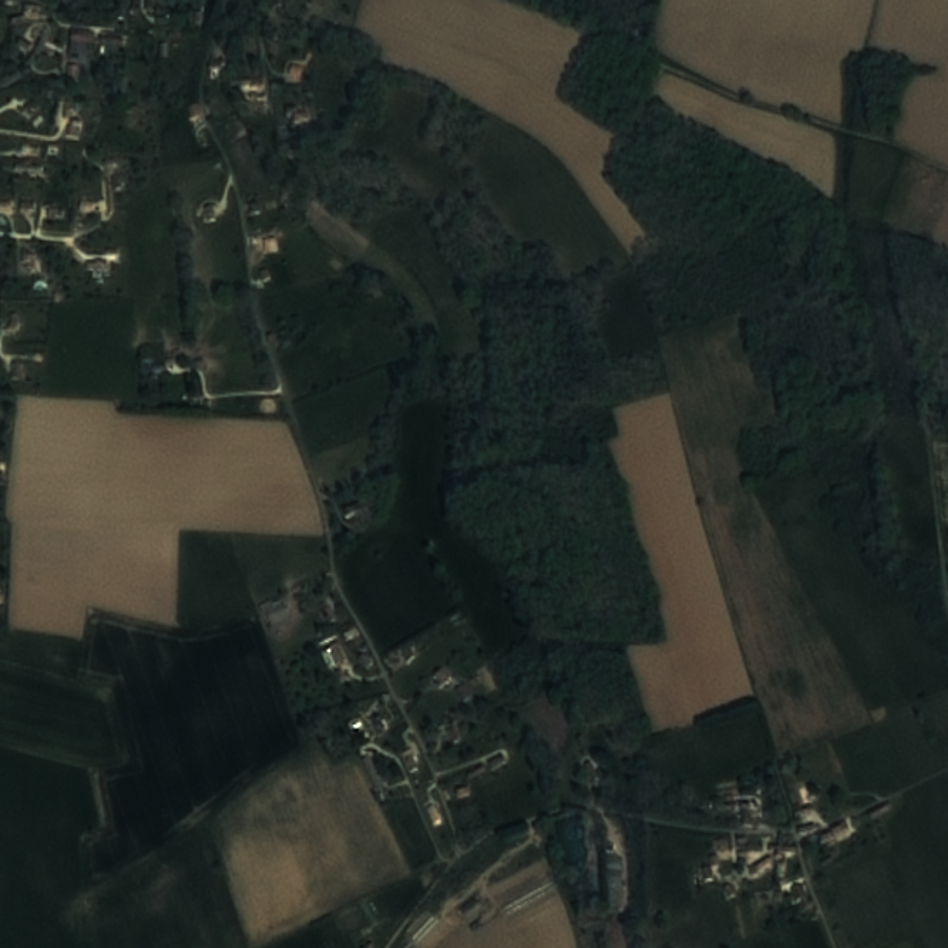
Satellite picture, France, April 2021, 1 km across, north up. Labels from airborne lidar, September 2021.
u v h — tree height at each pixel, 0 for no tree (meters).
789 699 0
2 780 0
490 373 18
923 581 0
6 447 12
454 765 0
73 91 21
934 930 0
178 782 0
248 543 0
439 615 0
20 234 0
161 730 0
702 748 0
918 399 13
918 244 15
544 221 0
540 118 0
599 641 20
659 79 12
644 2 17
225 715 0
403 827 0
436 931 0
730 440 0
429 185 0
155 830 0
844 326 20
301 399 0
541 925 0
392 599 0
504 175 0
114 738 0
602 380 17
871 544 15
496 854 0
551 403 19
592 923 0
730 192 18
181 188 0
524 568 24
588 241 0
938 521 0
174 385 11
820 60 0
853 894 0
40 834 0
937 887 0
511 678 8
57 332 0
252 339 18
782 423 11
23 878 0
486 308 22
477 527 23
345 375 0
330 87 0
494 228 14
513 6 16
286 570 0
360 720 0
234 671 0
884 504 19
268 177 16
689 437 0
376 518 23
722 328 0
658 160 22
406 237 0
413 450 0
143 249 0
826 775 0
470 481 7
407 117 0
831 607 0
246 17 20
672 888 0
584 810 7
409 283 0
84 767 0
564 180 0
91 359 0
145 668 0
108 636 0
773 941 0
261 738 0
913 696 0
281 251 0
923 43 0
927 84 0
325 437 0
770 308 12
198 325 16
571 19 22
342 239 0
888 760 0
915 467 0
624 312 0
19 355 0
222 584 0
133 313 0
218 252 0
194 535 0
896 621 0
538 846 0
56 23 7
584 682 25
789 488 0
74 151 0
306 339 8
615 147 12
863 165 0
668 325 8
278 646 0
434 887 12
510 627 0
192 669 0
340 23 0
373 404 0
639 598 17
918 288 14
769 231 11
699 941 0
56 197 0
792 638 0
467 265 23
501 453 21
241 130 0
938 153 0
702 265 7
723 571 0
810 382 26
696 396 0
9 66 14
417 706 8
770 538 0
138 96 0
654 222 16
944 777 0
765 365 16
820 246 28
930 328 16
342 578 0
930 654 0
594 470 17
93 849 0
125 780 0
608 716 20
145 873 0
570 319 19
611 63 25
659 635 10
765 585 0
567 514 18
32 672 0
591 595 23
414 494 0
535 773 24
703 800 0
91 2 15
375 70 17
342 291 9
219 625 0
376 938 0
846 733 0
